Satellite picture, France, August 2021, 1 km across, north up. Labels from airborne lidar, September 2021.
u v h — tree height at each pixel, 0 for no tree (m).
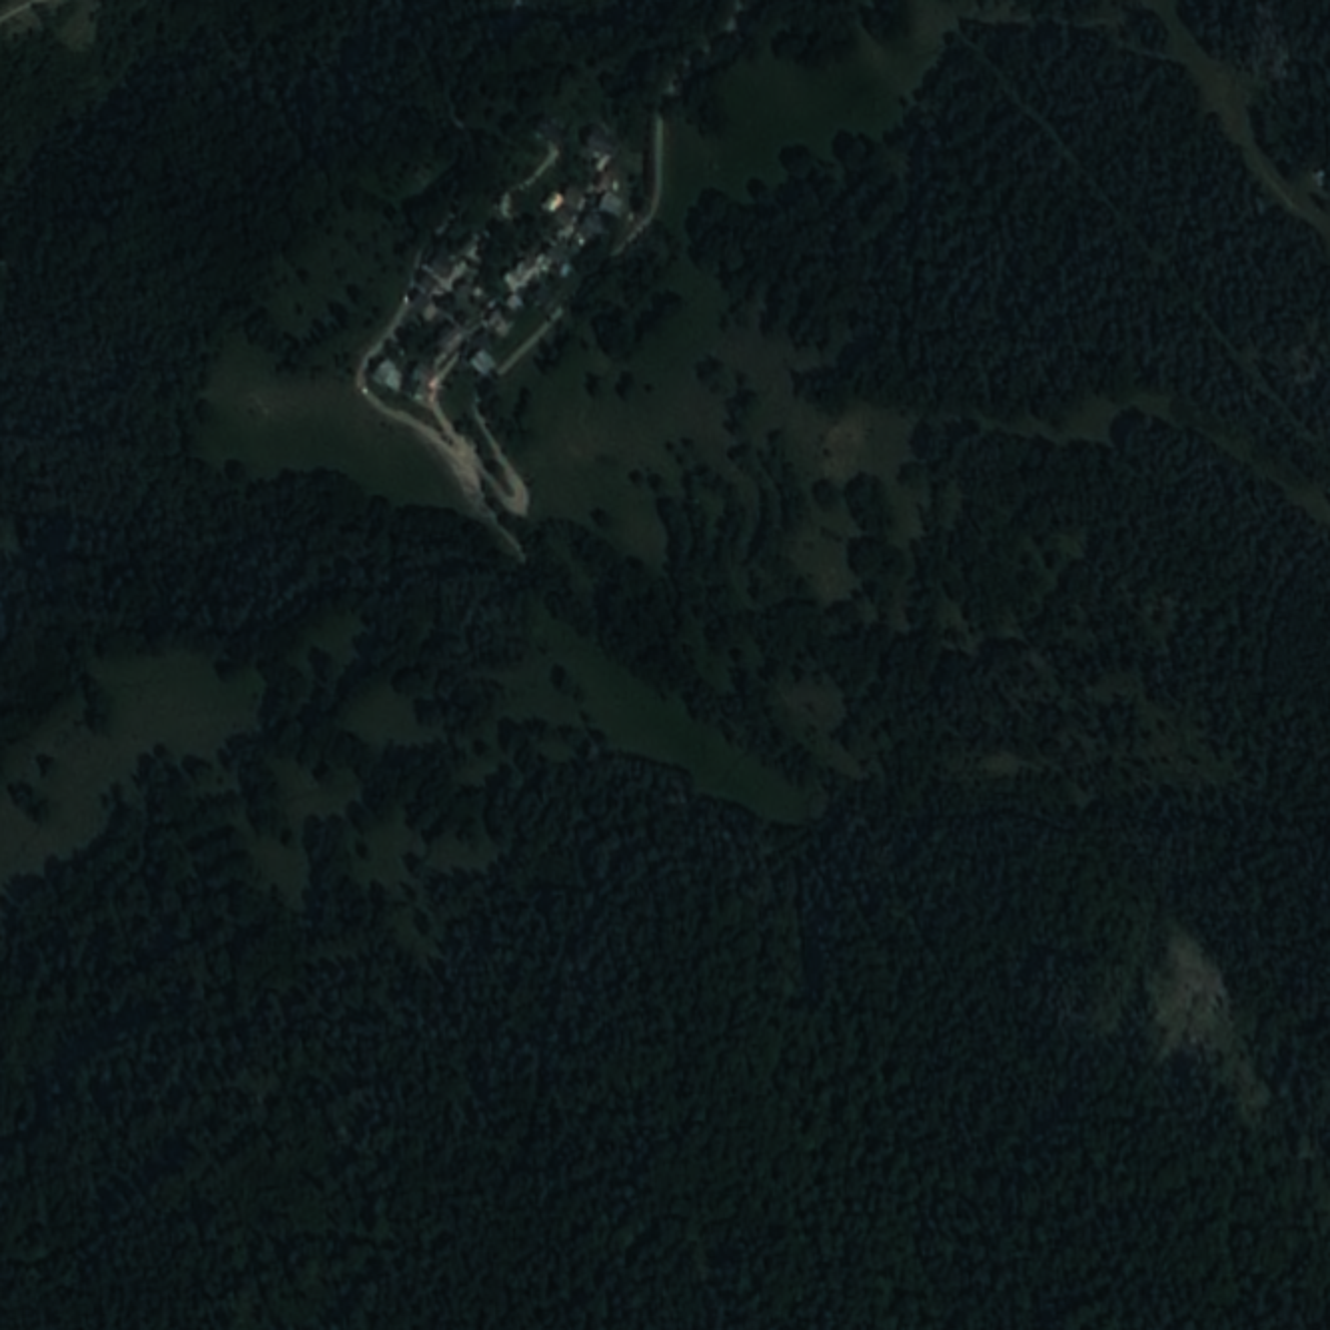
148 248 20
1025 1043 14
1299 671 15
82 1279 17
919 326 18
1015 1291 20
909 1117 27
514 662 19
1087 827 18
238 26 7
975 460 25
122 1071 27
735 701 15
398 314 0
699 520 17
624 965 25
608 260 6
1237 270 28
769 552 10
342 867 19
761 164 0
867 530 16
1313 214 0
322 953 6
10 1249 21
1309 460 22
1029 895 25
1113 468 18
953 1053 28
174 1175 18
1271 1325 17
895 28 22
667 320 14
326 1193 27
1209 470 23
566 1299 12
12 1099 33
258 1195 6
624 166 0
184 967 22
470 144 18
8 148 11
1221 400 26
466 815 17
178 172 22
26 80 17
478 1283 16
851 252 23
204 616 28
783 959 18
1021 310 12
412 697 10
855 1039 19
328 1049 11
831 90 0
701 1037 22
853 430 0
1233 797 17
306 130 18
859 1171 18
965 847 18
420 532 26
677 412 0
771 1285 24
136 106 32
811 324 17
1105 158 19
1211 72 0
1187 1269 25
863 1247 25
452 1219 15
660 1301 29
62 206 24
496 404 14
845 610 18
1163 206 23
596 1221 25
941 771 12
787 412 0
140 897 7
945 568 18
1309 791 13
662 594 19
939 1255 24
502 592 14
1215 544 14
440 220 18
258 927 14
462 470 0
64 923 21
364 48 9
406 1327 20
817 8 22
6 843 0
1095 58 23
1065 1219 14
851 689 19
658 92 16
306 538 18
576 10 28
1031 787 12
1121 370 26
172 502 27
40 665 17
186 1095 20
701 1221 15
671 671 22
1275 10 23
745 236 20
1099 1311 17
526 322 0
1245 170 20
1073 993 16
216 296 18
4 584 18
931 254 20
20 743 7
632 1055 25
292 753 16
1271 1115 6
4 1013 31
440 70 24
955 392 27
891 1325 26
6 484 29
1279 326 25
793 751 7
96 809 0
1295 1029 7
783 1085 29
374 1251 17
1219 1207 22
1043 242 23
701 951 18
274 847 0
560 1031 10
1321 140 20
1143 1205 17
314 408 0
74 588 8
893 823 12
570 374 0
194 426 16
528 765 16
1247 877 16
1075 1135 21
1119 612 10
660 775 22
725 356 0
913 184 10
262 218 26
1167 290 14
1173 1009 0
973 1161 26
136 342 12
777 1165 28
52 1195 32
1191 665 16
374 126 31
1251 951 30
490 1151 16
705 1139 28
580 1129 12
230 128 31
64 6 9
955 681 22
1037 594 21
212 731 0
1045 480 22
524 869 17
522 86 14
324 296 0
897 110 0
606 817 21
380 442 0
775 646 18
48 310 19
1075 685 12
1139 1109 18
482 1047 19
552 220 7
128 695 0
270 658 28
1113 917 18
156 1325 23
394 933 9
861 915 14
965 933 22
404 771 25
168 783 14
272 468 0
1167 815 16
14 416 21
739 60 8
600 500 0
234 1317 8
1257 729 8
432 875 13
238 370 0
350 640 0
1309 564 19
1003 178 25
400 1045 19
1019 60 26
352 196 22
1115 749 22
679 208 0
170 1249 19
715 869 24
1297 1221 8
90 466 21
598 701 0
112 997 15
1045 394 21
